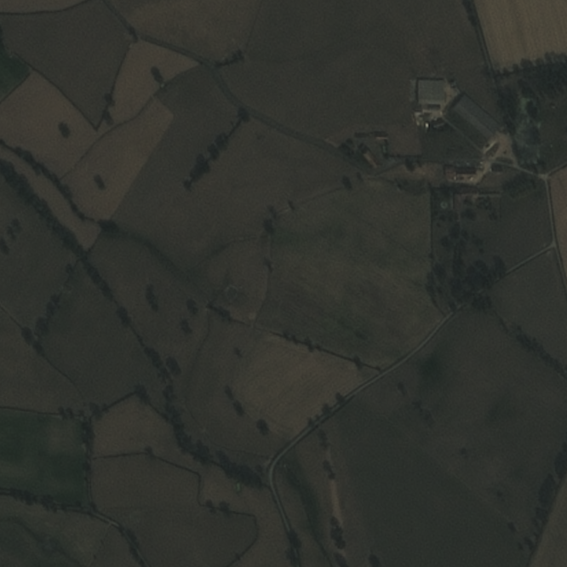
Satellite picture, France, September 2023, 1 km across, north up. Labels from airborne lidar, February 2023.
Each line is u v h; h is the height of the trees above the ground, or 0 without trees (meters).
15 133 0
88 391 0
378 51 0
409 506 0
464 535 0
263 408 0
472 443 0
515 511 0
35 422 0
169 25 0
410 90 0
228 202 0
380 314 0
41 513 0
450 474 0
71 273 14
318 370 0
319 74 0
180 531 0
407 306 0
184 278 0
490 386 0
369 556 0
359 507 0
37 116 0
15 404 0
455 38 0
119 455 0
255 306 0
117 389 0
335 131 0
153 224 0
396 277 0
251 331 0
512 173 0
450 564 0
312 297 0
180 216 0
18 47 0
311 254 0
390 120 0
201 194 0
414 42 0
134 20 0
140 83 0
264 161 0
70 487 0
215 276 0
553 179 0
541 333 0
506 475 0
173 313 0
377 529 0
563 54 0
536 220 0
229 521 0
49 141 0
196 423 0
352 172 0
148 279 0
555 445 0
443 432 0
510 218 0
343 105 0
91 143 0
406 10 0
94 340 0
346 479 0
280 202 0
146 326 0
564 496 0
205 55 0
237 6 0
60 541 0
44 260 0
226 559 0
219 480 0
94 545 0
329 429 0
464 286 17
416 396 0
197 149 0
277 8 0
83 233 0
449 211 0
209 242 0
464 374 0
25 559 0
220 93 0
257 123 0
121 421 0
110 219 0
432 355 0
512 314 0
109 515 0
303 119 0
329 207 0
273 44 0
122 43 0
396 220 0
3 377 0
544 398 0
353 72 0
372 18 0
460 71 0
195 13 0
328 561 0
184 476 0
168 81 0
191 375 0
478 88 0
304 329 0
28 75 0
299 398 0
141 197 0
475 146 0
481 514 0
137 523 0
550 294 0
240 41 0
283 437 0
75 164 0
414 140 0
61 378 0
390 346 0
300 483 0
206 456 17
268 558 0
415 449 0
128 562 0
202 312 0
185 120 0
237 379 0
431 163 0
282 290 0
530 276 0
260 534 0
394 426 0
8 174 19
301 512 0
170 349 0
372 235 0
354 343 0
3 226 0
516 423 0
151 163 0
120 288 0
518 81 0
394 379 0
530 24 0
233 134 0
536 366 0
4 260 0
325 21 0
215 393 0
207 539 0
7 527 0
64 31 0
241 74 0
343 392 0
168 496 0
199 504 0
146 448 0
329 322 0
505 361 0
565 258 0
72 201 0
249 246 0
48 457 0
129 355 0
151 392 0
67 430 0
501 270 17
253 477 17
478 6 0
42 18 0
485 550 0
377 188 0
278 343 0
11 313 0
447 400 0
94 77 0
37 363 0
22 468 0
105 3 0
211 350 0
